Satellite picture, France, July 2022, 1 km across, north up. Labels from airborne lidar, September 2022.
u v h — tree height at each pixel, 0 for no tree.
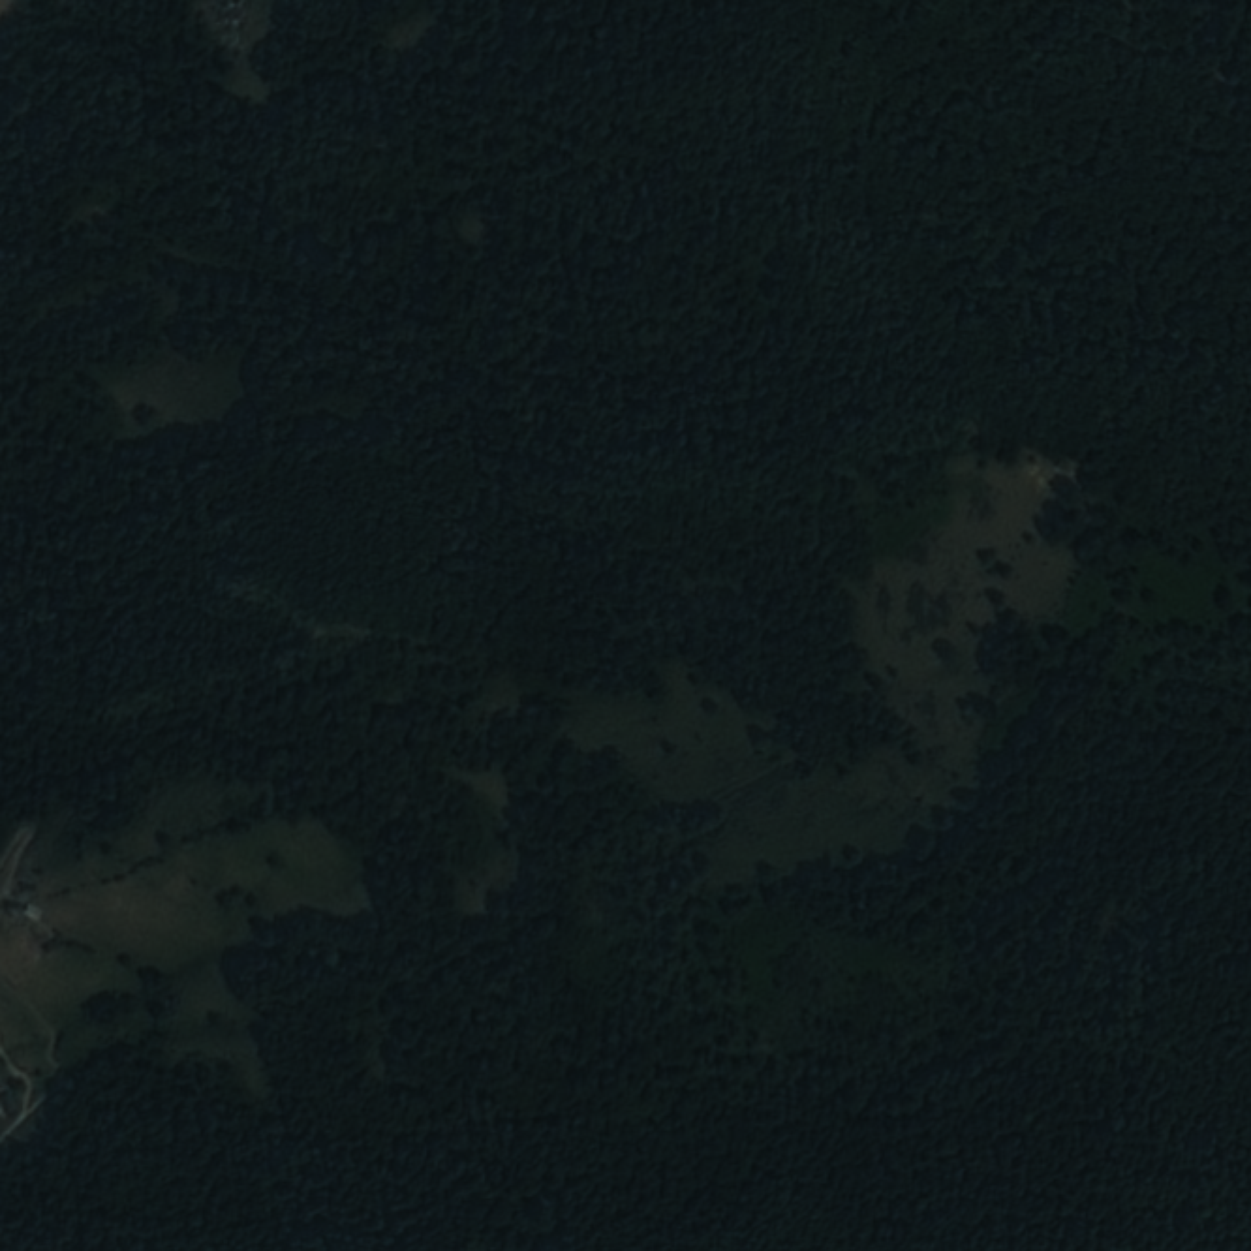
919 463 15
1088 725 12
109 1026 11
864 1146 25
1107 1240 23
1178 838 25
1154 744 17
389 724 19
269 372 27
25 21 10
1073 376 24
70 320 15
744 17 24
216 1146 24
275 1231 20
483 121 10
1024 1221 24
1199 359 31
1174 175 24
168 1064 6
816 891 24
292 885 0
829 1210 26
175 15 17
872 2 24
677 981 17
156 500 13
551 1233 10
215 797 0
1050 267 22
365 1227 21
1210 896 26
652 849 9
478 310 10
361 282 35
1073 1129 27
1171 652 12
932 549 0
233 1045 0
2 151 36
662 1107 27
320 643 16
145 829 0
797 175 21
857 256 22
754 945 0
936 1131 22
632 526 20
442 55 24
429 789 25
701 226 19
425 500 20
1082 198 24
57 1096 19
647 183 10
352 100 28
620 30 34
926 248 24
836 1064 30
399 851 25
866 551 13
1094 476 25
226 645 20
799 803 0
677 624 25
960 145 25
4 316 24
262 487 25
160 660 22
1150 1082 21
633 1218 31
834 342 22
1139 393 20
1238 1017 22
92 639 28
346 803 26
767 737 16
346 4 14
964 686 0
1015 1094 24
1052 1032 22
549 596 22
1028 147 22
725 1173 29
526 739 7
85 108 19
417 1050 24
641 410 34
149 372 0
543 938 24
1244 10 20
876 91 22
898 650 0
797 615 27
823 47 23
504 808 0
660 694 25
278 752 12
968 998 13
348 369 19
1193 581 0
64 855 0
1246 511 25
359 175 32
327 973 24
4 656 24
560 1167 23
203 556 20
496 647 27
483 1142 30
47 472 21
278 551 24
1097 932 26
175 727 20
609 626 18
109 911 0
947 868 21
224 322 11
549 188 8
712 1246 24
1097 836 22
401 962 25
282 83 9
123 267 9
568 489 27
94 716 25
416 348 18
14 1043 0
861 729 22
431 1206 29
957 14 21
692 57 24
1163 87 19
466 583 33
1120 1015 24
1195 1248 24
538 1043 26
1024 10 15
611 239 7
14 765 27
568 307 20
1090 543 23
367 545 24
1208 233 25
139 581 22
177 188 24
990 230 23
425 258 8
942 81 24
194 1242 15
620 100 23
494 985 12
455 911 13
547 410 7
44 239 22
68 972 0
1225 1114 27
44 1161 25
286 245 36
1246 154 26
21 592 19
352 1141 32
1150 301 28
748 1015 7
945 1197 23
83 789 25
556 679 20
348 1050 29
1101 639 8
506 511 30
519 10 24
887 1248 22
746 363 28
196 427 9
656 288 27
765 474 27
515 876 0
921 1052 20
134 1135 20
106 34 19
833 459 18
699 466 17
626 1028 23
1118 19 19
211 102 28
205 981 0
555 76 17
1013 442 15
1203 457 24
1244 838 26
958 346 24
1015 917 21
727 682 20
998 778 23
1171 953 24
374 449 25
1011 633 22
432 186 6
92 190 7
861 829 0
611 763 18
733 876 0
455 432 29
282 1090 19
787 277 21
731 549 22
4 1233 26
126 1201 16
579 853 21
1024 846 10
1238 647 7
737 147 23
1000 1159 26
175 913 0
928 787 0
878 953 0
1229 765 21
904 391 23
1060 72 22
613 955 7
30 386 21
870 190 22
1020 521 0
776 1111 30
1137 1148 24
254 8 0
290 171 29
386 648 28
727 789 0
